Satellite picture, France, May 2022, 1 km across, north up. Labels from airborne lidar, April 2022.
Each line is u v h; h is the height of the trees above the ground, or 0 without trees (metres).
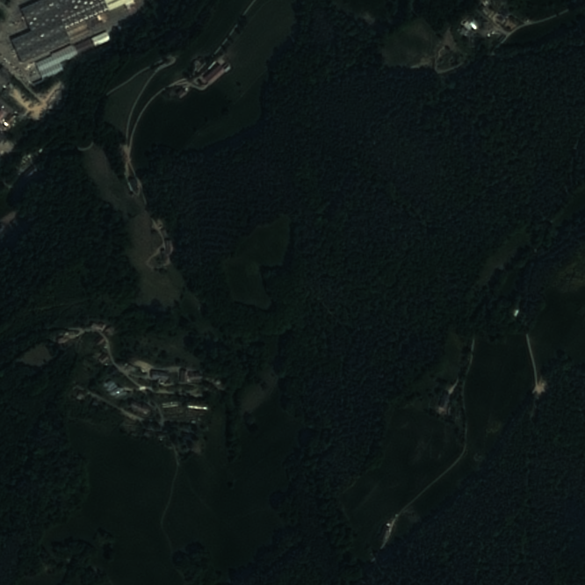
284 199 26
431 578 31
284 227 0
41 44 0
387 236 26
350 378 20
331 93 20
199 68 0
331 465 25
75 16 0
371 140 24
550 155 20
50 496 9
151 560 0
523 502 19
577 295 0
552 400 16
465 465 0
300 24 18
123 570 0
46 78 10
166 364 0
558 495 15
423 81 24
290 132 23
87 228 32
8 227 0
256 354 23
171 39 29
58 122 25
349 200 26
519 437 19
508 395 0
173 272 0
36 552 13
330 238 25
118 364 9
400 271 17
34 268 34
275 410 0
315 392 28
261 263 0
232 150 22
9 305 27
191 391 0
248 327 26
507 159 21
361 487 0
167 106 0
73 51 0
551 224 14
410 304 24
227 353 29
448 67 0
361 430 28
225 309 18
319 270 21
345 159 19
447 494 0
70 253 24
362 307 22
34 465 20
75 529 0
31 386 18
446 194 19
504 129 25
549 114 21
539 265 20
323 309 23
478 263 19
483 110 25
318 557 19
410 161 19
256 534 0
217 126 0
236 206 15
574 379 13
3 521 13
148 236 0
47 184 30
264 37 0
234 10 0
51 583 0
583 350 0
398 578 25
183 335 0
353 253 23
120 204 0
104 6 0
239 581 33
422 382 7
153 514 0
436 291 23
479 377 0
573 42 21
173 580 0
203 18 23
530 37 0
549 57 17
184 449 9
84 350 0
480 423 0
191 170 20
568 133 20
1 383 14
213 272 14
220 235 24
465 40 10
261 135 24
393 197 9
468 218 19
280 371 24
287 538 22
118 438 0
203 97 0
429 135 25
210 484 0
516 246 0
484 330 19
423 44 0
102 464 0
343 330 26
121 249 34
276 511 18
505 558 18
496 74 23
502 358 0
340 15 30
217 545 0
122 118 0
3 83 0
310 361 22
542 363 0
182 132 0
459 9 16
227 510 0
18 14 0
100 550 0
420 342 22
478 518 19
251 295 0
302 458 14
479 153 34
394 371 25
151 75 0
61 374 10
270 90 18
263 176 28
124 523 0
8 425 11
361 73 21
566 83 27
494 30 0
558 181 24
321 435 25
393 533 0
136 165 0
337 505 26
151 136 0
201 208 20
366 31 25
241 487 0
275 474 0
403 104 22
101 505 0
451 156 22
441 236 18
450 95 22
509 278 0
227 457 0
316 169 23
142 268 0
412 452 0
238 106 0
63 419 6
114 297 23
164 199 20
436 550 22
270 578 27
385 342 27
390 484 0
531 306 21
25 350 8
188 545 0
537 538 17
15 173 14
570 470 17
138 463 0
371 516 0
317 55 25
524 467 18
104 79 15
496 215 24
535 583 14
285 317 23
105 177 0
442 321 20
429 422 0
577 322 0
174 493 0
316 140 21
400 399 9
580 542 19
